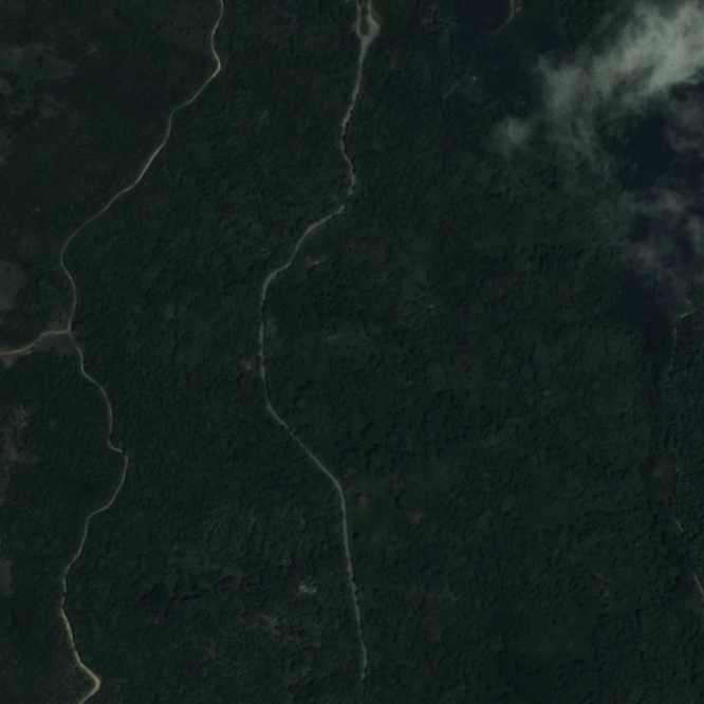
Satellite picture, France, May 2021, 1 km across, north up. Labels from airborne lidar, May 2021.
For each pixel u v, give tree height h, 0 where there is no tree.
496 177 10
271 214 12
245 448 13
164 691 14
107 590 8
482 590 11
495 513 16
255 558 11
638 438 11
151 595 19
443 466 0
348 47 10
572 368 11
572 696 11
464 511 8
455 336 10
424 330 7
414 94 11
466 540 17
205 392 14
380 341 8
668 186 12
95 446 7
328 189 9
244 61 8
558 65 0
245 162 6
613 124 12
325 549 9
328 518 9
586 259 16
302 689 10
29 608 6
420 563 10
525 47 0
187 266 11
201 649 7
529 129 10
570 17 10
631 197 9
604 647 10
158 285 7
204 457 9
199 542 9
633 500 7
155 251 9
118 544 9
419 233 7
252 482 8
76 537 8
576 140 14
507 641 10
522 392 11
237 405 8
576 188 20
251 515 6
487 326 10
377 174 9
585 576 10
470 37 7
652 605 15
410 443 13
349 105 8
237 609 6
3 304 0
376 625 10
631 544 11
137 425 8
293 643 9
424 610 10
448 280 7
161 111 11
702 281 10
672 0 18
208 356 9
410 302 8
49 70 0
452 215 11
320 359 7
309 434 16
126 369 7
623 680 9
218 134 10
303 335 11
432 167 9
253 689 6
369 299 13
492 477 12
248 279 9
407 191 12
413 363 16
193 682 12
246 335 12
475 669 12
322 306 15
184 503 10
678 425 10
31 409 12
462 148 8
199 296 14
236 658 8
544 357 14
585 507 8
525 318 12
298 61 7
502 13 0
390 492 8
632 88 21
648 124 14
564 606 8
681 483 8
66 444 7
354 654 7
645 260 24
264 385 10
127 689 9
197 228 9
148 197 6
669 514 10
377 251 17
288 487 9
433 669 15
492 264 12
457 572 17
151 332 10
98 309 6
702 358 12
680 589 22
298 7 7
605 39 15
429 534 14
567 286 14
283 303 12
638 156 11
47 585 8
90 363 9
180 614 14
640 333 11
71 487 5
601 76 6
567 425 11
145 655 9
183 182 9
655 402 17
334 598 12
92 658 8
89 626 12
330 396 9
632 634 10
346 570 7
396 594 7
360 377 11
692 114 12
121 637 9
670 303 18
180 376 18
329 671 11
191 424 13
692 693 15
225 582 11
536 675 14
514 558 10
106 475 7
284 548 9
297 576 16
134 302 11
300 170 6
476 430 19
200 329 19
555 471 8
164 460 7
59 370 7
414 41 10
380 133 8
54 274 7
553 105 0
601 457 13
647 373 12
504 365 13
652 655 13
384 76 8
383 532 0
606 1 10
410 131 8
